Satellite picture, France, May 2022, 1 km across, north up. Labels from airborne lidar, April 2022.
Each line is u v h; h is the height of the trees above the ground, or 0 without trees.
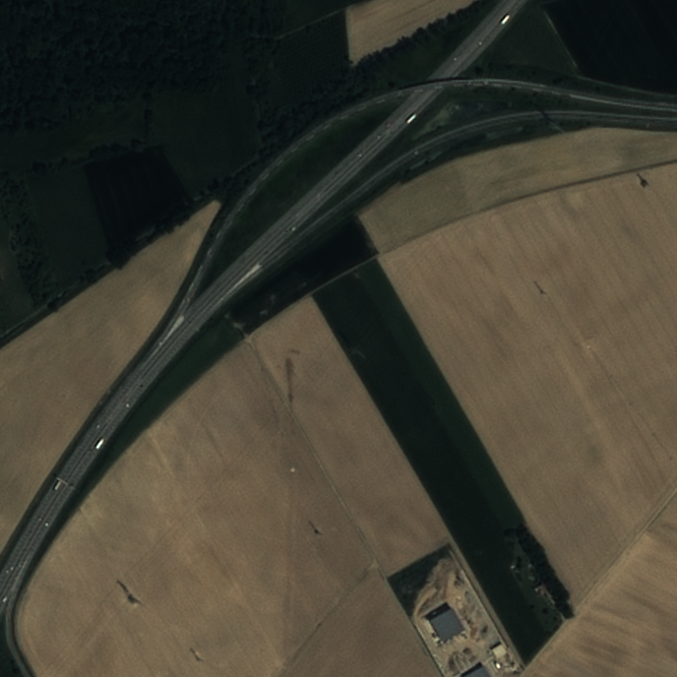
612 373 0
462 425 0
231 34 22
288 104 0
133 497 0
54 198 0
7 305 0
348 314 0
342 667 0
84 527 0
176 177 0
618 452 0
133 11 17
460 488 0
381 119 0
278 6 0
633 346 0
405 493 0
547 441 0
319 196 0
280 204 0
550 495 0
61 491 0
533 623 0
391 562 0
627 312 0
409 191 0
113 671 0
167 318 0
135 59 26
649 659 0
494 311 0
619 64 0
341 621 0
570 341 0
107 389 0
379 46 0
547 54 0
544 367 0
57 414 0
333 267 0
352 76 9
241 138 0
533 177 0
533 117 0
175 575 0
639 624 0
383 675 0
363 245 0
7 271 0
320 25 0
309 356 0
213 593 0
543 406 0
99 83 31
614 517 0
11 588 0
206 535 0
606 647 0
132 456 0
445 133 0
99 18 21
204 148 0
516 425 0
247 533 0
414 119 0
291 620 0
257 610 0
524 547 12
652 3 0
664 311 0
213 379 0
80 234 0
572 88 0
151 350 0
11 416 0
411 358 0
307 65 0
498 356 0
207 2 27
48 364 0
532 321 0
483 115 0
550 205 0
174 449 0
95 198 0
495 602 0
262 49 8
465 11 7
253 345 0
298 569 0
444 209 0
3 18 30
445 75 0
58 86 30
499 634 0
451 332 0
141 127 0
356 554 0
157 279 0
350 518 0
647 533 0
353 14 0
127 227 0
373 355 0
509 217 0
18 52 32
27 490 0
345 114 0
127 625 0
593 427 0
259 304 0
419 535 0
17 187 9
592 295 0
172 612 0
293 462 0
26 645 0
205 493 0
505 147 0
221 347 0
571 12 0
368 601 0
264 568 0
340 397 0
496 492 0
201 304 0
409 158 0
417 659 0
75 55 27
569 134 0
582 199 0
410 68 0
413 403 0
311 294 0
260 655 0
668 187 0
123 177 0
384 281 0
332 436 0
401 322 0
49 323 0
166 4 23
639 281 0
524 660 0
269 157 12
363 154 0
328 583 0
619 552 0
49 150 0
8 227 0
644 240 0
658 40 0
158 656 0
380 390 0
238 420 0
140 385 0
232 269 0
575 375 0
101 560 0
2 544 0
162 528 0
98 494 0
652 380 0
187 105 0
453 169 0
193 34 19
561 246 0
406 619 0
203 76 28
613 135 0
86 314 0
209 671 0
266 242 0
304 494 0
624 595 0
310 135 0
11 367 0
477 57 0
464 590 0
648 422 0
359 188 0
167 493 0
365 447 0
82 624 0
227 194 13
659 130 0
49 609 0
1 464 0
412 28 0
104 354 0
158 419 0
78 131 0
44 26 28
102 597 0
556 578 11
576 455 0
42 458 0
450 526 0
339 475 0
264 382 0
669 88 0
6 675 0
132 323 0
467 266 0
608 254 0
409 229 0
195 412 0
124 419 0
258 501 0
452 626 0
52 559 0
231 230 0
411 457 0
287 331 0
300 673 0
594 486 0
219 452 0
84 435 0
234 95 0
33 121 30
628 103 0
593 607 0
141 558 0
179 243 0
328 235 0
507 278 0
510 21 0
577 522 0
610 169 0
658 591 0
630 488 0
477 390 0
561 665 0
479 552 0
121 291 0
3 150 0
